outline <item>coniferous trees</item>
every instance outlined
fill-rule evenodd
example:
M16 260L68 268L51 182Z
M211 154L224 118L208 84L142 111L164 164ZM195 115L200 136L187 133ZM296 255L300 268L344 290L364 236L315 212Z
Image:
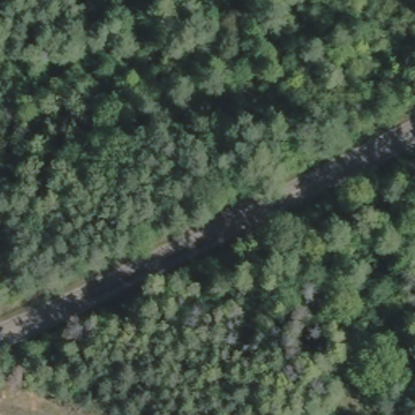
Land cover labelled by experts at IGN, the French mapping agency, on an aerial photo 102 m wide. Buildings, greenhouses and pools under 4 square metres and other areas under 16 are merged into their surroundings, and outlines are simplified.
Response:
M102 280L102 269L107 267L107 264L115 267L122 264L122 258L149 258L152 255L164 255L180 245L195 245L198 238L203 237L204 225L214 219L217 212L222 211L227 204L235 203L238 196L256 199L259 204L269 204L285 196L297 196L300 188L297 173L305 172L316 160L342 156L352 148L360 136L371 135L374 126L396 123L402 125L409 122L410 107L415 105L415 0L123 0L126 10L133 16L133 29L128 34L120 36L120 24L117 21L112 23L107 15L109 11L115 10L112 0L0 0L0 305L5 302L8 295L15 297L21 290L32 290L34 295L53 295L66 298L68 295L75 295L76 298L81 298L86 287L84 277ZM253 28L253 19L266 32L267 42L276 47L277 60L284 75L279 76L274 83L269 79L255 78L251 78L251 81L243 86L222 86L212 83L211 75L214 68L211 60L219 57L220 45L225 37L227 34L235 34L238 41L245 41L248 36L246 31Z
M368 250L376 250L381 255L396 253L402 238L397 235L396 229L402 224L402 214L412 209L410 196L415 193L415 157L400 160L396 167L374 165L365 177L349 178L349 188L342 186L342 190L332 190L327 198L310 201L300 209L292 209L290 214L300 217L302 224L306 225L302 246L305 246L308 255L300 256L293 251L287 263L282 263L280 255L272 255L271 248L266 245L271 225L269 220L258 224L250 233L250 242L238 240L235 248L227 243L219 251L212 251L212 258L204 263L186 263L183 269L178 269L173 276L151 274L144 287L138 285L136 289L131 289L118 302L109 303L101 313L91 316L88 321L79 324L78 316L70 316L68 326L58 324L41 342L31 342L28 350L15 344L11 349L5 345L0 352L0 383L10 391L21 389L36 392L37 396L53 400L62 407L70 407L75 412L81 407L84 415L415 415L415 276L407 277L405 285L394 285L394 293L387 298L386 303L376 306L376 316L371 319L368 327L362 329L353 327L352 324L339 324L337 321L319 321L319 311L329 303L326 302L326 295L319 289L314 290L313 285L306 285L305 298L302 298L300 305L289 306L285 310L284 305L280 303L284 297L276 289L276 282L282 279L282 272L287 272L287 276L295 276L300 272L305 276L310 266L323 266L326 271L336 269L344 261L344 255L352 256L353 251L360 250L362 243L368 246ZM237 300L230 300L227 305L219 306L216 313L199 311L195 306L195 297L199 295L199 289L212 289L219 277L229 282L230 289L240 289ZM353 370L358 376L365 373L368 365L360 358L360 352L376 352L376 336L387 332L396 334L397 349L405 350L407 366L412 371L412 378L404 391L400 392L392 413L381 412L381 396L366 396L360 391L360 387L352 383L347 374L349 370Z

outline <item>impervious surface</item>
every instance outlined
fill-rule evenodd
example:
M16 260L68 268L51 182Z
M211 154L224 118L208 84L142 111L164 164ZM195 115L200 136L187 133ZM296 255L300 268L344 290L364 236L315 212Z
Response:
M217 212L214 219L204 225L203 237L198 238L195 245L180 245L164 255L152 255L149 258L122 258L122 264L115 267L107 264L107 267L102 269L102 280L84 277L86 287L81 298L76 298L75 295L68 295L66 298L53 295L50 297L52 303L41 314L36 314L34 310L24 310L23 313L15 313L15 316L10 316L0 324L0 352L5 345L11 349L15 344L28 350L31 342L41 342L58 324L68 326L70 316L78 316L79 324L88 321L91 316L101 313L109 303L118 302L131 289L136 289L138 285L144 287L151 274L173 276L178 269L183 269L186 263L204 263L212 258L212 251L219 251L227 243L235 248L238 240L250 242L250 233L258 224L269 220L276 219L280 214L290 214L292 209L300 209L310 201L327 198L332 190L342 190L342 186L349 188L349 178L365 177L374 165L396 167L400 160L415 157L415 105L410 107L409 122L402 125L396 123L374 126L371 135L360 136L352 148L342 156L316 160L305 172L297 173L300 188L297 196L285 196L269 204L259 204L256 199L238 196L235 203L227 204L222 211Z

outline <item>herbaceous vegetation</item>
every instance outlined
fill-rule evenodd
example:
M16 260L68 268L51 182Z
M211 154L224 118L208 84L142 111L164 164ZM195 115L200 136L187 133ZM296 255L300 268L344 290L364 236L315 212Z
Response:
M53 400L37 396L36 392L21 389L10 391L0 383L0 415L84 415L81 407L75 412L70 407L62 407Z
M34 295L32 290L21 290L15 297L8 295L5 302L0 305L0 324L10 316L15 316L15 313L23 313L24 310L34 310L36 314L41 314L52 303L50 297L53 295Z

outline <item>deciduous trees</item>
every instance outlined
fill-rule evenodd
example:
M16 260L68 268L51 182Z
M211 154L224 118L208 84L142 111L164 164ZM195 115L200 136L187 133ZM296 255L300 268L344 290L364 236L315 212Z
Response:
M199 295L195 297L195 306L199 311L216 313L219 306L227 305L230 300L237 300L240 289L230 289L229 282L219 277L212 289L199 289Z
M123 0L112 0L115 10L109 11L107 15L112 23L117 21L120 24L120 36L128 34L133 29L133 16L126 10Z
M271 225L266 245L271 248L272 255L280 255L282 263L287 263L293 251L300 256L308 255L305 246L302 246L306 225L302 224L300 217L290 214L280 214L276 219L269 220Z
M326 271L323 266L310 266L305 276L300 272L295 276L287 276L287 272L282 272L282 279L276 282L276 289L284 297L280 303L284 305L285 310L289 306L300 305L302 298L305 298L306 285L313 285L314 290L319 289L326 295L326 302L329 303L319 311L319 321L337 321L339 324L352 324L353 327L362 329L368 327L371 319L376 316L376 306L386 303L387 298L394 293L394 285L405 285L407 277L415 276L415 193L410 196L412 209L402 214L402 224L396 229L397 235L402 238L396 253L381 255L376 250L368 250L368 246L362 243L360 250L353 251L352 256L344 255L344 261L336 269Z
M248 36L245 41L238 41L235 34L227 34L225 37L220 45L219 57L211 60L214 68L211 75L212 83L222 86L243 86L251 81L251 78L255 78L269 79L274 83L279 76L284 75L277 60L276 47L267 42L266 32L253 19L253 28L246 31Z
M360 387L360 391L366 396L381 396L381 412L392 413L400 392L404 391L412 378L412 371L407 366L405 350L397 349L396 334L387 332L376 336L376 352L360 352L360 358L368 365L365 373L358 376L353 370L349 370L347 374L352 383Z

